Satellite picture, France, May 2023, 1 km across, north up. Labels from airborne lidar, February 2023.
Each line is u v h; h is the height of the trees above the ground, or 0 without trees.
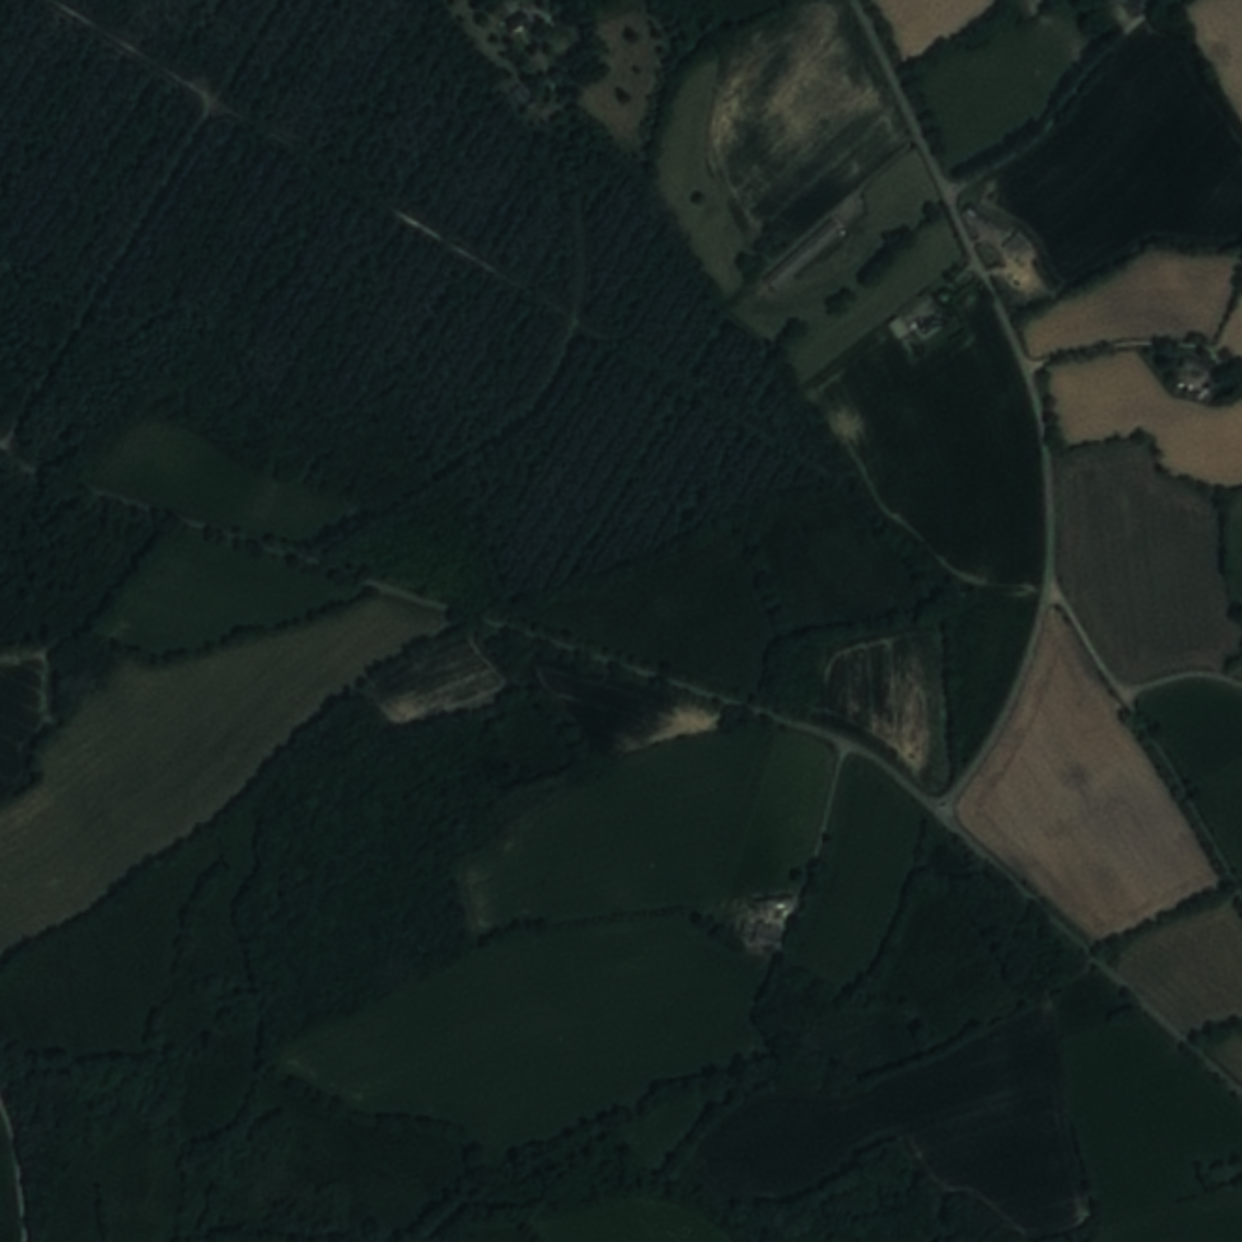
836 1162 0
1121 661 0
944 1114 0
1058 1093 0
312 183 13
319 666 0
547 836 0
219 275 14
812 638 14
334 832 12
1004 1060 0
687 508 9
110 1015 0
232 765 0
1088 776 0
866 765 0
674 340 17
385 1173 0
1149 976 0
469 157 13
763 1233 15
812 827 0
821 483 7
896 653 0
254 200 13
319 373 11
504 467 15
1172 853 0
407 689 0
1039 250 0
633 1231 0
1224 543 7
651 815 0
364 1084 0
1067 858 0
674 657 0
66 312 17
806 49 0
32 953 15
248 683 0
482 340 13
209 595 0
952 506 0
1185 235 0
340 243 17
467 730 12
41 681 0
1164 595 0
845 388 0
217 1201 9
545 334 12
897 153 0
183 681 0
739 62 0
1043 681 0
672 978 0
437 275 12
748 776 0
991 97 0
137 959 0
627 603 0
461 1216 15
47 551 14
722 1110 8
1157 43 0
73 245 10
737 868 0
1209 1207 0
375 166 14
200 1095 0
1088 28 14
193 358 14
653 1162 0
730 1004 0
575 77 13
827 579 0
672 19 14
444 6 11
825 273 0
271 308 17
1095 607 0
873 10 9
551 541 12
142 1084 13
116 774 0
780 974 12
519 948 0
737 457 10
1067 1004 0
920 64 11
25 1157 16
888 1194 8
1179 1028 0
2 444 0
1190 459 0
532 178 9
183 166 15
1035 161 0
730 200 0
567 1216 6
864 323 0
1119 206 0
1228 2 0
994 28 12
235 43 10
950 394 0
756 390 15
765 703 7
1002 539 0
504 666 13
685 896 0
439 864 11
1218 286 0
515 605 15
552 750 0
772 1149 0
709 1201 8
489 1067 0
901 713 0
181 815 0
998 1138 0
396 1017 0
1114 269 6
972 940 0
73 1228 0
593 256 6
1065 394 0
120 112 13
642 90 0
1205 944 0
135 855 0
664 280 14
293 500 0
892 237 11
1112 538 0
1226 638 0
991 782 0
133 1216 0
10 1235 0
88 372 15
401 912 14
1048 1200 0
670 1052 0
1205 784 0
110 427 16
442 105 15
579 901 0
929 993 0
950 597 14
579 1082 0
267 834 13
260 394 14
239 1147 10
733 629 0
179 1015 0
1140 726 9
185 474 0
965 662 0
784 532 0
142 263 15
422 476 16
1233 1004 0
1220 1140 0
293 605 0
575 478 15
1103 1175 0
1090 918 0
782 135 0
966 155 0
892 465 0
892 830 0
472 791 11
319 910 15
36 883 0
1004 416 0
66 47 8
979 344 0
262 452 20
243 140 11
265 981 14
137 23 8
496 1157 0
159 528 16
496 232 10
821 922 0
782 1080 16
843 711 0
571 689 0
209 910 0
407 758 13
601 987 0
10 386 15
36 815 0
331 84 13
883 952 11
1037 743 0
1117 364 0
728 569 0
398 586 12
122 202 11
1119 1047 0
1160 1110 0
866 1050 0
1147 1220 0
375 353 12
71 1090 15
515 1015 0
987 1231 15
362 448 20
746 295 0
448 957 17
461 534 13
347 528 15
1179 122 0
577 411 15
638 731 0
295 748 11
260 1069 11
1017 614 0
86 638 16
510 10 0
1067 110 11
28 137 10
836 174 0
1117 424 0
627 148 0
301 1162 0
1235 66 0
